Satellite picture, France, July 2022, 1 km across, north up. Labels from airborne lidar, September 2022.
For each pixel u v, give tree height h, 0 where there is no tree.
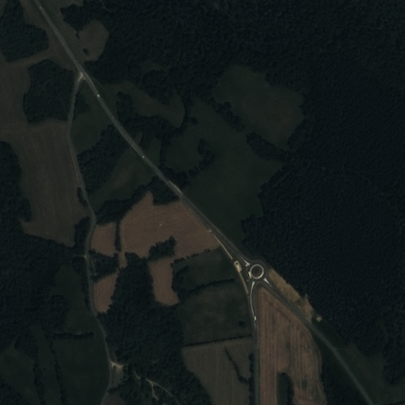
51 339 16
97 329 0
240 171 0
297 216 27
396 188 14
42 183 0
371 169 19
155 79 22
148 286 17
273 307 0
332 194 26
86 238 11
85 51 12
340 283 25
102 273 7
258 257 0
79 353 0
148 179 0
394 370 13
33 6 0
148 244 0
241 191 0
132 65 23
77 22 15
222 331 0
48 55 0
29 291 24
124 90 0
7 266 11
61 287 0
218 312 0
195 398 11
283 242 26
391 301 23
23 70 0
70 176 0
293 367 0
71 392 0
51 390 0
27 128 0
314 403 0
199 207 0
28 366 0
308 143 25
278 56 27
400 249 7
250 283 0
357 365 0
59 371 17
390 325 19
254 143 22
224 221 0
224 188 0
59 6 0
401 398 0
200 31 30
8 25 14
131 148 13
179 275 11
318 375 0
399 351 16
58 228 0
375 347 17
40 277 14
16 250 18
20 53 6
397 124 20
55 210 0
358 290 23
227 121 22
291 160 20
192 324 0
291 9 31
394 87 20
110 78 15
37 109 5
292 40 35
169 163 0
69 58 0
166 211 0
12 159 23
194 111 0
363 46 25
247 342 0
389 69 27
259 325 0
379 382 0
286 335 0
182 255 0
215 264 0
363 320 23
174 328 17
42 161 0
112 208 14
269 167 0
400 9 25
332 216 23
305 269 29
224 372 0
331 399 20
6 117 0
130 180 0
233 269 0
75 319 0
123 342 8
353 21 28
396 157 19
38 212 0
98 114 0
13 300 20
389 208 24
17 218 16
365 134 16
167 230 0
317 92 19
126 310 15
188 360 0
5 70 0
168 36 26
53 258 8
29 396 0
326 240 26
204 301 0
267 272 0
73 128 0
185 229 0
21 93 0
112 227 0
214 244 0
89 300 14
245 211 0
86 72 0
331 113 17
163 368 7
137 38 19
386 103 17
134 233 0
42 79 7
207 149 15
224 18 21
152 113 0
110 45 12
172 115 0
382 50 28
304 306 0
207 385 0
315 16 31
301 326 0
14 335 17
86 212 0
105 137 15
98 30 0
